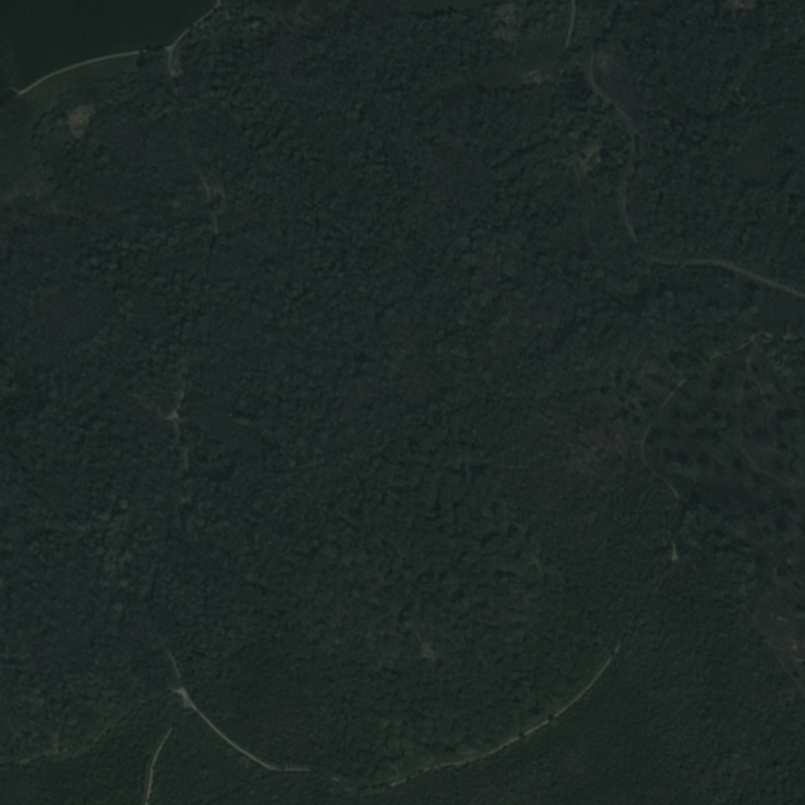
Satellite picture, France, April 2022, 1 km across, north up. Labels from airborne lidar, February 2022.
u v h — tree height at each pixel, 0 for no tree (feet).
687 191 86
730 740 50
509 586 83
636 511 45
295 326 78
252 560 64
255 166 60
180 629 63
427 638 85
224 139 53
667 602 66
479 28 56
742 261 79
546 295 61
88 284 63
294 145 56
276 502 88
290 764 47
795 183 76
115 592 76
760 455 0
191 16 0
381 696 79
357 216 64
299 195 86
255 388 72
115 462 72
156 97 48
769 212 65
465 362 68
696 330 91
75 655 65
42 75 0
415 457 78
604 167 21
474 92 0
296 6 0
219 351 74
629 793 24
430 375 28
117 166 40
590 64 0
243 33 43
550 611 78
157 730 39
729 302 65
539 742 18
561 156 72
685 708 48
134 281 64
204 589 65
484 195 25
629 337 100
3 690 84
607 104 50
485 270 93
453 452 80
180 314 43
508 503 69
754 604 0
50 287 78
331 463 80
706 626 52
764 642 39
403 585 89
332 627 81
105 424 53
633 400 96
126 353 78
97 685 60
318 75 35
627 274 82
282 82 92
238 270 43
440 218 22
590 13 39
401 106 82
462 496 88
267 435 81
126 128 36
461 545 87
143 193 35
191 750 33
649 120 80
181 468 71
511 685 81
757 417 93
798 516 101
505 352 89
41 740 48
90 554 80
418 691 87
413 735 92
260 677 31
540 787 39
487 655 88
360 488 76
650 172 66
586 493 38
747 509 0
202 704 37
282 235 85
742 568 77
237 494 72
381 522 92
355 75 89
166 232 58
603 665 62
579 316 45
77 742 45
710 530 82
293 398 75
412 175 88
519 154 37
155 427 74
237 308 62
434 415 65
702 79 90
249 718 28
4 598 75
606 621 42
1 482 82
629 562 40
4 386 97
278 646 58
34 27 0
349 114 56
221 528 89
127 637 80
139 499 73
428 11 0
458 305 66
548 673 85
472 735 53
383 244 74
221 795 24
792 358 50
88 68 0
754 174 0
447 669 83
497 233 24
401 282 79
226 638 60
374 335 62
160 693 35
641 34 0
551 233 93
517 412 33
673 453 0
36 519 78
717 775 58
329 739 35
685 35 95
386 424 78
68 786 23
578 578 42
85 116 0
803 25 90
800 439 82
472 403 25
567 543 47
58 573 60
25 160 0
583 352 104
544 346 92
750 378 95
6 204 0
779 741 42
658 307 102
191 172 64
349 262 72
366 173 63
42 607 93
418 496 70
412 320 91
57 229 68
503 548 77
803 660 0
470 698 82
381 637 78
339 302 55
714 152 80
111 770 30
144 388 77
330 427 92
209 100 61
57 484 59
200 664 33
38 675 72
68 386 69
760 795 53
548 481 45
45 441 75
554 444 52
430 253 80
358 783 29
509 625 80
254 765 23
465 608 88
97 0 0
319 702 79
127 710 51
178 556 88
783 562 0
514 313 100
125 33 0
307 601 77
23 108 49
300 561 78
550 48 0
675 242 72
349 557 83
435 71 85
